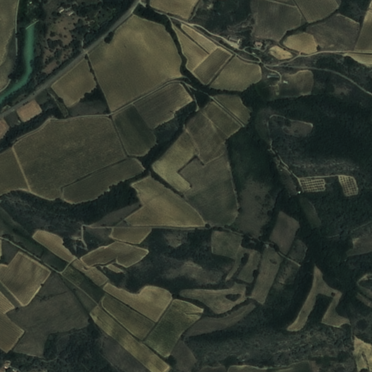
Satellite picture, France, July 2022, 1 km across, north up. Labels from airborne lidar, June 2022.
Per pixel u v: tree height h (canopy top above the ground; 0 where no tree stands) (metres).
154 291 0
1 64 0
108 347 0
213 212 0
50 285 0
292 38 0
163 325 0
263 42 6
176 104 0
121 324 0
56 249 0
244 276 0
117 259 0
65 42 0
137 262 0
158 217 0
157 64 0
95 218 10
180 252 11
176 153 0
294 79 0
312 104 6
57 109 9
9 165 0
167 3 0
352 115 7
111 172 0
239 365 10
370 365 0
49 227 9
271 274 0
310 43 0
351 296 9
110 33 12
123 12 12
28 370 9
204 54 0
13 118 0
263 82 0
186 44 0
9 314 0
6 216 0
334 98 10
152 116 0
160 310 0
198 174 0
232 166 10
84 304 0
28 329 0
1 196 7
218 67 0
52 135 0
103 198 10
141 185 0
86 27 8
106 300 0
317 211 8
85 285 0
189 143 0
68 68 0
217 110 0
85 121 0
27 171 0
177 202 0
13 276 0
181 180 0
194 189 0
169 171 0
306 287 8
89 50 0
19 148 0
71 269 0
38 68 12
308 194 8
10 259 0
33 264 0
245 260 12
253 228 0
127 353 0
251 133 8
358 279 7
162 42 0
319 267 7
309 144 7
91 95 6
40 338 0
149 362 0
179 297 11
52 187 0
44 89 0
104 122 0
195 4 0
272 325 7
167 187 10
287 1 0
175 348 0
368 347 0
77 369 10
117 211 0
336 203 9
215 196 0
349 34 0
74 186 0
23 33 10
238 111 0
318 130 9
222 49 0
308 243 10
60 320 0
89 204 10
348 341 16
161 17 11
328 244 10
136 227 0
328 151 8
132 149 0
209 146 0
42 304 0
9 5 0
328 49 0
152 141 0
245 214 0
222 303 0
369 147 7
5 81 0
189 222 0
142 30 0
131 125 0
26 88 8
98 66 0
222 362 6
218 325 0
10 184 0
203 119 0
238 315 0
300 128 0
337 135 8
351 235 10
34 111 0
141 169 0
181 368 0
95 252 0
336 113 7
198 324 0
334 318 0
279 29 0
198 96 9
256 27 0
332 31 0
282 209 7
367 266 7
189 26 0
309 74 0
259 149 10
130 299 0
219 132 0
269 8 0
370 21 0
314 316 7
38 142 0
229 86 0
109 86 0
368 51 0
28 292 0
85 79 0
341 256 9
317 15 0
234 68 0
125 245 0
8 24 0
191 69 0
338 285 9
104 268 6
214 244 0
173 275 0
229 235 0
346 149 9
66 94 0
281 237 0
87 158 0
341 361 6
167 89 0
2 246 0
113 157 0
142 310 0
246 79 0
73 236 0
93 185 0
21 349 0
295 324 0
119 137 0
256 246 7
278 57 0
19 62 14
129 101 0
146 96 0
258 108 5
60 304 0
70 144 0
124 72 0
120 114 0
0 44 0
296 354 15
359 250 0
